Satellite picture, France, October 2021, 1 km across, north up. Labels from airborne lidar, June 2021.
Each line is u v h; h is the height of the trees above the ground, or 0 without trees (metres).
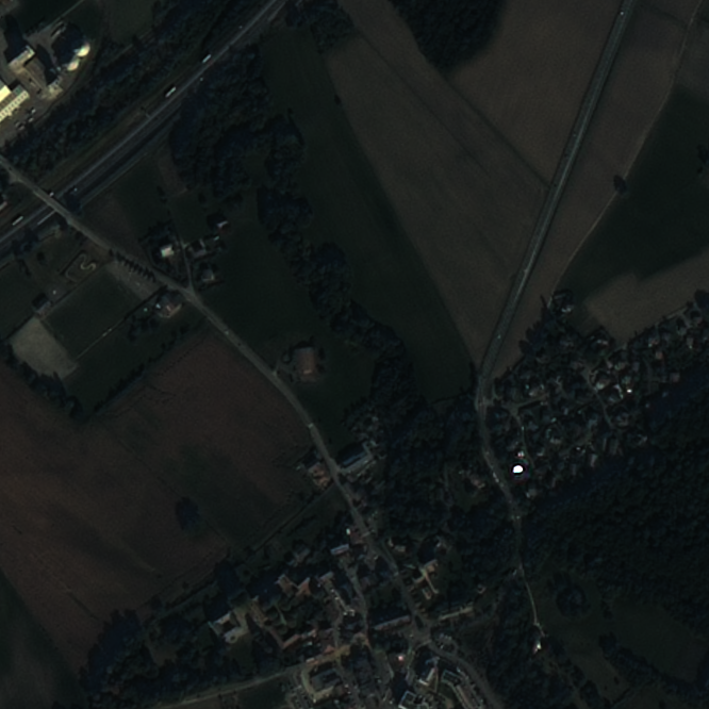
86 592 0
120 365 0
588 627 0
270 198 11
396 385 20
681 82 0
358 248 0
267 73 0
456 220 0
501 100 0
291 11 0
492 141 0
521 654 21
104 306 0
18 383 0
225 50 0
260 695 0
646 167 0
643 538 25
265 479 0
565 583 9
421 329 0
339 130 0
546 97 0
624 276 0
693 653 0
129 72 10
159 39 14
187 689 18
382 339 20
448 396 0
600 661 0
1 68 0
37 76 0
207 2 20
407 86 0
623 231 0
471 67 0
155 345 0
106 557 0
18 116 0
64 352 0
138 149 0
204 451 0
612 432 12
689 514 22
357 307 0
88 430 0
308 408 0
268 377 0
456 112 0
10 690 0
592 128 0
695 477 16
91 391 0
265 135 14
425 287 0
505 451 15
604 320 0
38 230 0
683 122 0
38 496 0
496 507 22
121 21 0
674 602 23
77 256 0
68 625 0
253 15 0
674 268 0
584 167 0
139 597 0
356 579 0
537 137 0
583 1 0
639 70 0
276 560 0
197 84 0
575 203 0
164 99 0
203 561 0
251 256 0
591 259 0
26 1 0
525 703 14
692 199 0
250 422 0
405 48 0
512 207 0
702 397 20
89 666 0
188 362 0
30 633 0
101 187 0
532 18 0
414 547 15
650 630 0
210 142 21
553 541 25
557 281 0
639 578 27
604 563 23
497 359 0
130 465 0
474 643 0
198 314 0
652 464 19
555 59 0
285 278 0
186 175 20
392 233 0
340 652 0
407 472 24
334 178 0
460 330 0
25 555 0
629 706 0
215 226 12
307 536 0
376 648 13
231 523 0
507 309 0
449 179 0
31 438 0
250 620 0
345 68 0
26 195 0
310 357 0
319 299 20
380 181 0
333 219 0
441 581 0
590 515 21
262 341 0
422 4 22
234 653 0
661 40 0
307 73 0
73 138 6
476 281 0
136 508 0
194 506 0
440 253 0
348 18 10
